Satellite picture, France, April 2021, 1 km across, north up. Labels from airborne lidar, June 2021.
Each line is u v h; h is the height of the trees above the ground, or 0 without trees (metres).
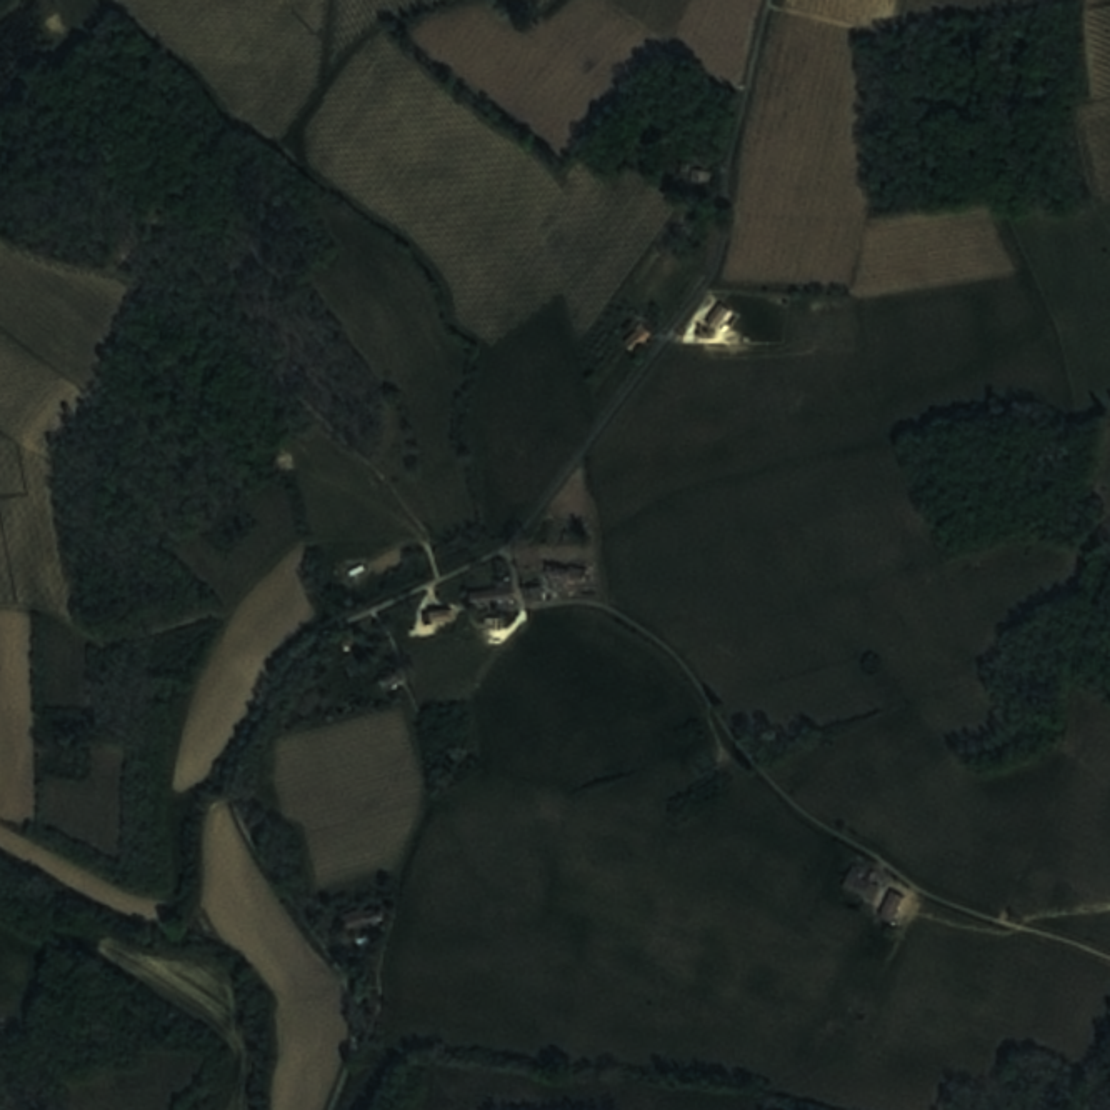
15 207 20
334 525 0
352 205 16
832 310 0
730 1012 0
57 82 24
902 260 0
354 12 0
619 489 0
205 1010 0
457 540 9
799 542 0
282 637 0
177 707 19
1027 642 23
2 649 0
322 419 18
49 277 0
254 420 28
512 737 0
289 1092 0
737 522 0
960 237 0
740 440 0
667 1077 26
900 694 0
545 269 0
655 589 0
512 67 0
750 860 0
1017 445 27
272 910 0
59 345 0
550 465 0
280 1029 0
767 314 0
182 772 0
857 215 0
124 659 16
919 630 0
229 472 22
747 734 19
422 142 0
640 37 0
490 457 0
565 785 0
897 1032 0
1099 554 21
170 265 20
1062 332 0
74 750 24
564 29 0
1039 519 21
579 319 0
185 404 22
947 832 0
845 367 0
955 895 0
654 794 0
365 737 0
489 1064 10
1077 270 0
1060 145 23
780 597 0
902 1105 0
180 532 22
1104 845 0
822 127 0
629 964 0
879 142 19
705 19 0
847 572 0
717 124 24
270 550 0
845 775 0
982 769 17
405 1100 22
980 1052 0
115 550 22
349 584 0
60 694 0
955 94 24
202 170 21
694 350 0
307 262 24
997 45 23
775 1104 15
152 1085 0
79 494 14
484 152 0
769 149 0
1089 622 21
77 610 16
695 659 0
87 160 24
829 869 0
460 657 0
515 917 0
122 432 23
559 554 0
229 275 18
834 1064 0
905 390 0
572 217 0
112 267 13
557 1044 0
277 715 13
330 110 0
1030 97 20
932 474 19
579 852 0
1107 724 0
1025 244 0
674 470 0
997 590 0
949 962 0
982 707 0
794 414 0
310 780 0
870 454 0
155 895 17
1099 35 0
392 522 0
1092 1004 0
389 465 0
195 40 0
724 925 0
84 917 22
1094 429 16
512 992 0
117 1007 15
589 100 0
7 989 0
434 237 0
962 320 0
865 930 0
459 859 0
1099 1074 19
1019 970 0
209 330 15
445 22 0
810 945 0
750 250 0
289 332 11
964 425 21
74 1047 21
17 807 0
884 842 0
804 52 0
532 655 0
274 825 16
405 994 0
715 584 0
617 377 0
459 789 0
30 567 0
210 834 0
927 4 0
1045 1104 19
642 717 0
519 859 0
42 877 19
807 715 0
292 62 0
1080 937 0
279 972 0
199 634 7
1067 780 0
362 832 0
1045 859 0
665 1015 0
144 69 26
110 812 0
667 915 0
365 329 0
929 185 17
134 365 24
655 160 26
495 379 0
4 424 0
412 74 0
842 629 0
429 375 0
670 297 0
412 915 0
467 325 0
